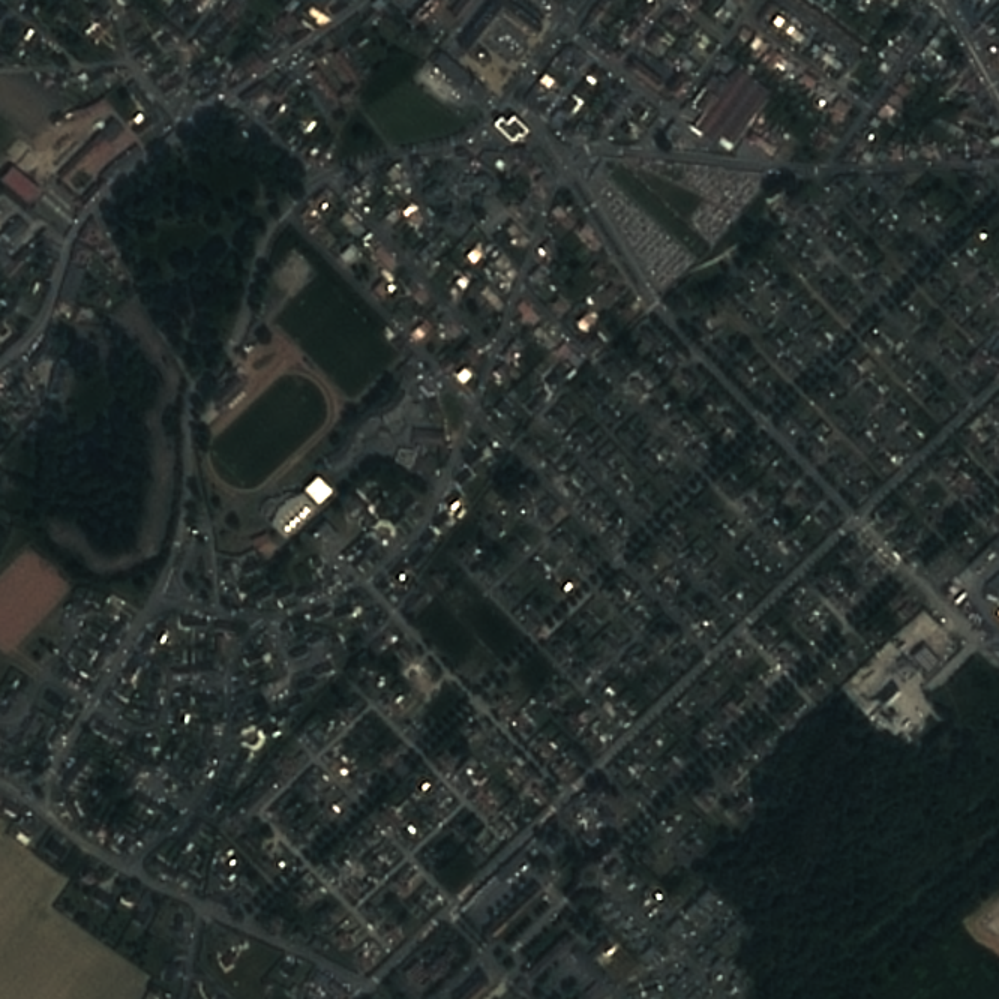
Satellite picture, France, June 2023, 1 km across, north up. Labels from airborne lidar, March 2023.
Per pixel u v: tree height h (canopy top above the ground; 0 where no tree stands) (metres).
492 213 0
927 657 0
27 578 0
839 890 15
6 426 7
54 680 0
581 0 0
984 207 8
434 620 0
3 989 0
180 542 0
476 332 0
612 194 0
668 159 0
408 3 0
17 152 0
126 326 0
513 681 0
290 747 0
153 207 21
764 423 0
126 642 0
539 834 14
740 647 0
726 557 0
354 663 11
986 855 11
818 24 0
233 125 21
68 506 28
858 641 0
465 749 10
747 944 14
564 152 0
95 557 0
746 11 0
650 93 0
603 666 0
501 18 0
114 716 0
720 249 0
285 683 0
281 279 0
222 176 0
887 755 7
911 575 0
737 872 9
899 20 11
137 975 0
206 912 0
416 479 11
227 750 0
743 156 0
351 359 0
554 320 0
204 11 0
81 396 0
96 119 0
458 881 0
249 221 18
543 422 0
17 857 0
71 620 0
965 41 0
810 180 0
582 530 0
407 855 0
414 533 0
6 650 0
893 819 11
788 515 14
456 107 0
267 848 0
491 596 0
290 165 21
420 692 0
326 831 8
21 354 0
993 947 0
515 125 0
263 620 0
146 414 0
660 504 0
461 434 0
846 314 0
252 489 0
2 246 0
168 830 0
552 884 0
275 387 0
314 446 0
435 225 0
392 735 0
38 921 0
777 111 0
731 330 0
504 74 0
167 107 0
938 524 5
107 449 30
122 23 0
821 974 11
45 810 0
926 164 0
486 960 0
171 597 0
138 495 31
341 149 0
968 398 0
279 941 0
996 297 0
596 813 0
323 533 0
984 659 0
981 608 0
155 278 17
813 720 13
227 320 0
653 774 0
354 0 0
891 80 0
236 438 0
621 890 0
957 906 18
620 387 0
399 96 0
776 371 0
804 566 0
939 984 0
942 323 0
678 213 0
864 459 0
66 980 0
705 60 0
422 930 0
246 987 0
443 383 0
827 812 10
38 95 0
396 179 0
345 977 0
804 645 8
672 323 0
